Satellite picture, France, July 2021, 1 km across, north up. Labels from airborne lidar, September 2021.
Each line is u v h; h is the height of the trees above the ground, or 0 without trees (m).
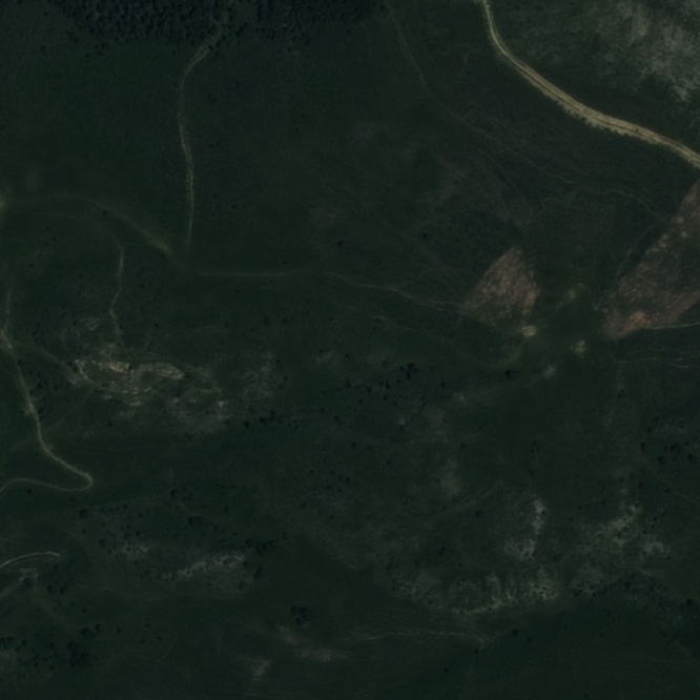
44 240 0
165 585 0
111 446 0
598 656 0
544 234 0
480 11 0
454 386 0
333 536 0
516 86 0
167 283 0
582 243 0
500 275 0
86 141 0
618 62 0
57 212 0
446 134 0
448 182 0
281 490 0
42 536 0
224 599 0
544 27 0
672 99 0
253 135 0
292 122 0
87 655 9
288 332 0
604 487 0
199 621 0
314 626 0
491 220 0
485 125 0
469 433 0
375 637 0
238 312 0
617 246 0
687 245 0
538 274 0
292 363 0
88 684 0
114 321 0
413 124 0
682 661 0
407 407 0
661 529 0
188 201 0
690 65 0
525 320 0
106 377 0
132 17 17
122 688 0
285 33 7
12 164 0
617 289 0
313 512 0
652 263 0
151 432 0
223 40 6
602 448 0
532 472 8
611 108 0
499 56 0
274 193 0
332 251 0
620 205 0
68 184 0
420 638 0
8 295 0
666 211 0
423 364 0
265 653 0
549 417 0
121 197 0
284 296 0
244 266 0
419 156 0
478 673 0
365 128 0
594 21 0
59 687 0
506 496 0
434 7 0
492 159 0
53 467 0
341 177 0
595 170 0
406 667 0
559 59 0
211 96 7
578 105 0
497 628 0
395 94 0
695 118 0
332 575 0
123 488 0
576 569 0
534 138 0
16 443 0
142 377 0
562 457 0
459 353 0
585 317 0
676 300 0
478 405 0
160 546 0
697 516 0
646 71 0
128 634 0
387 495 0
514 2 0
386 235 0
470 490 0
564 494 0
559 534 0
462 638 0
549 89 0
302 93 0
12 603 0
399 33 0
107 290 0
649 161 0
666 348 0
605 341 0
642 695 0
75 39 9
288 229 0
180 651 0
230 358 0
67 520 0
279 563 0
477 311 0
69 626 0
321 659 0
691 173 0
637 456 0
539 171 0
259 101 0
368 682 0
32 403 0
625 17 0
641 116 0
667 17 0
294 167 0
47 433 0
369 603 0
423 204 0
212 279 0
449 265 0
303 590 0
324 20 11
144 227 0
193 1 11
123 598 0
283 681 0
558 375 0
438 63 0
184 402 0
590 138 0
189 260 0
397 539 0
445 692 0
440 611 0
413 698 0
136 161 0
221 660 0
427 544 0
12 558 0
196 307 0
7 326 0
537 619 0
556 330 0
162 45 0
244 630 0
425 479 0
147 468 0
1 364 0
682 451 12
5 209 0
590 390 0
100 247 0
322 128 0
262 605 0
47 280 0
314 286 0
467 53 0
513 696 0
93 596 0
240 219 0
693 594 0
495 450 0
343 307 0
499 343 0
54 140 0
